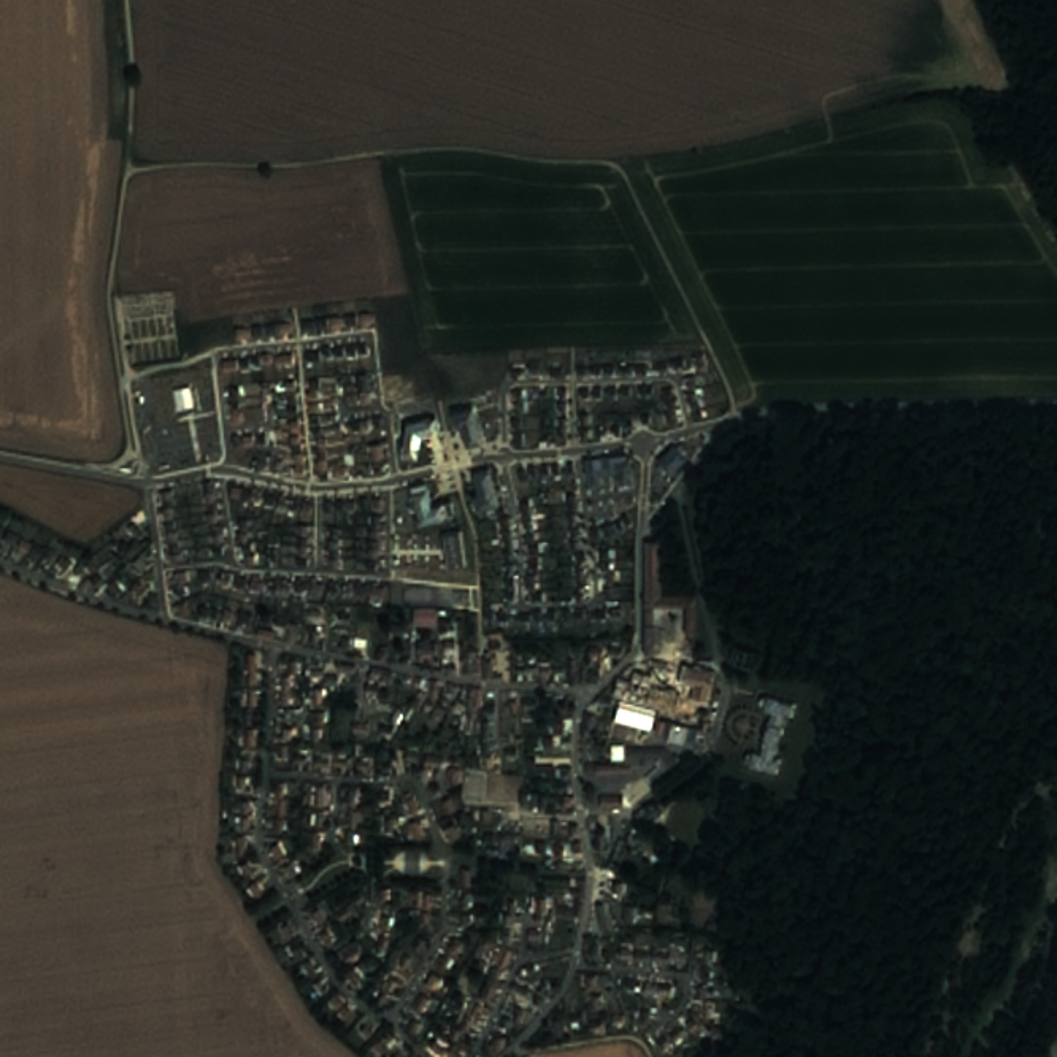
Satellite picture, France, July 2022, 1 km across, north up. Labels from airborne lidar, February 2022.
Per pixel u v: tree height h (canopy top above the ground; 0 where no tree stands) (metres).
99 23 0
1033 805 10
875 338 0
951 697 26
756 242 0
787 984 21
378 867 11
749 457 24
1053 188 21
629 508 0
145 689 0
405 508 0
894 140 0
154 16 0
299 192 0
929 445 21
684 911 8
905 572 27
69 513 0
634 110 0
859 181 0
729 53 0
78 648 0
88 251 0
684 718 0
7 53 0
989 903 11
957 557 24
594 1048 0
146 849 0
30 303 0
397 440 0
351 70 0
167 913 0
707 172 0
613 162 0
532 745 0
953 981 11
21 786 0
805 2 0
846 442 27
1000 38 19
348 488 0
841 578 22
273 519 0
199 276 0
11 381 0
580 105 0
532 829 0
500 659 0
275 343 0
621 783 0
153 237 0
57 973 0
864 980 19
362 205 0
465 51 0
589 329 0
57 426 0
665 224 0
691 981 0
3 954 0
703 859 6
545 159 0
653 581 0
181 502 0
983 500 25
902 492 29
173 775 0
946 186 0
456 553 0
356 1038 0
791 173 0
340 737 0
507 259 0
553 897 0
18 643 0
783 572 18
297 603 0
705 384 0
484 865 11
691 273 0
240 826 0
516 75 0
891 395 0
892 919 29
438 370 0
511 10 0
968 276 0
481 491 0
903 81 0
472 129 0
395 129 0
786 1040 23
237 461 0
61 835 0
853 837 26
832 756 30
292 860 7
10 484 0
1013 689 28
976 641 32
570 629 0
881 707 27
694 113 0
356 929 11
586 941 6
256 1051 0
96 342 0
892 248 0
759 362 0
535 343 0
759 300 0
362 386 0
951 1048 14
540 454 0
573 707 6
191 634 6
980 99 12
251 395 0
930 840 26
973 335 0
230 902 0
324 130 0
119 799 0
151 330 0
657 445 0
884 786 30
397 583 0
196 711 0
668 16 0
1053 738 24
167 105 0
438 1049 0
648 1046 0
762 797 21
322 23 0
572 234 0
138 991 0
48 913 0
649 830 14
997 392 0
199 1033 0
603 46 0
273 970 0
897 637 31
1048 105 19
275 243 0
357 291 0
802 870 30
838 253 0
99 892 0
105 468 0
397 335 0
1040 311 0
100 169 0
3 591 0
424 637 20
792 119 0
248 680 0
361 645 0
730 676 16
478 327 0
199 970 0
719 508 21
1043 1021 22
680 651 0
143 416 0
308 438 0
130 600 0
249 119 0
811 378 0
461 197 0
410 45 0
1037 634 21
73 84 0
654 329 0
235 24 0
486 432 0
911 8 0
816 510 25
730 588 18
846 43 0
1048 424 26
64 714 0
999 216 0
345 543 0
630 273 0
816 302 0
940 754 32
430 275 0
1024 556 25
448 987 7
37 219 0
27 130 0
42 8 0
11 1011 0
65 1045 0
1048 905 0
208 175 0
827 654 26
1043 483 17
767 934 19
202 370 0
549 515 0
